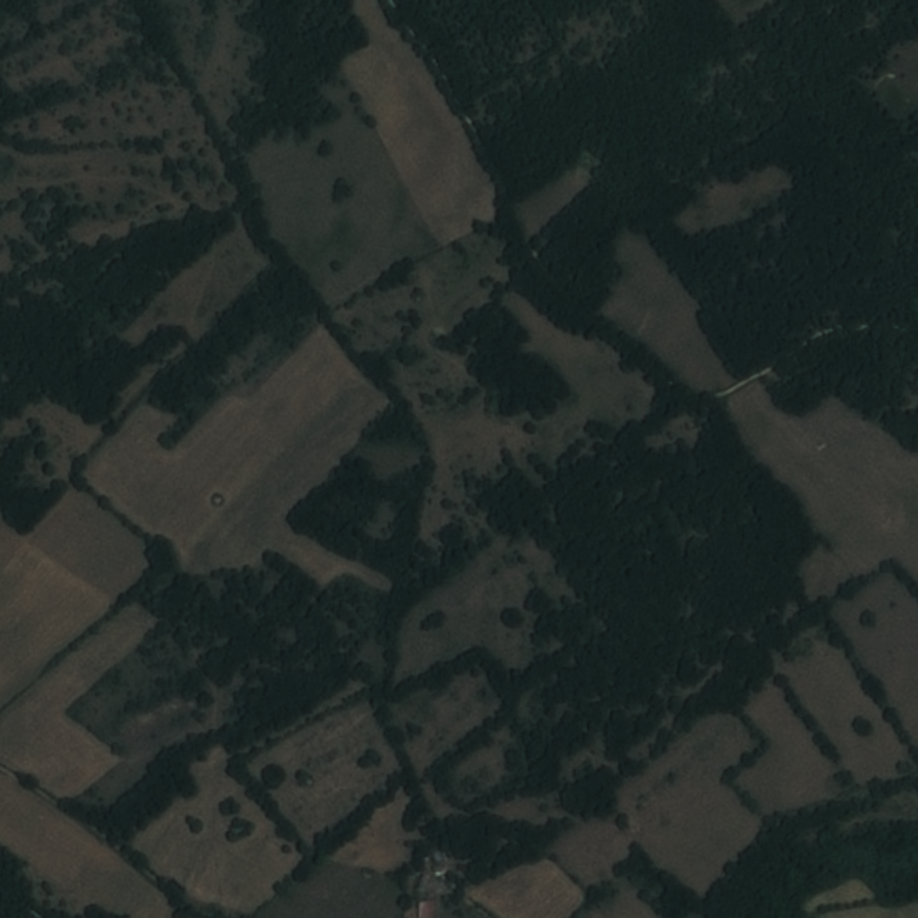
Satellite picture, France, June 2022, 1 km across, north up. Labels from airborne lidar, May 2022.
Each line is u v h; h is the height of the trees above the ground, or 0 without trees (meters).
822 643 0
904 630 0
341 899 0
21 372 14
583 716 9
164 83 7
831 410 0
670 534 12
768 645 14
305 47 12
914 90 0
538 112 11
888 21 8
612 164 14
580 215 12
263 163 0
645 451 12
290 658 15
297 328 10
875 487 0
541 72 7
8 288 9
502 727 10
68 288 8
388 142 0
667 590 11
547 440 0
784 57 11
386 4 11
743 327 17
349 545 9
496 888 0
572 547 15
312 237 0
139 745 0
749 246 12
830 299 16
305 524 14
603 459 13
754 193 0
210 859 0
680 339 0
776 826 10
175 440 8
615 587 16
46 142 7
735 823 0
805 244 17
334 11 14
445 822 9
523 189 11
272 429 0
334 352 0
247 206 10
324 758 0
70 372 10
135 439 0
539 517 11
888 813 0
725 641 9
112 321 8
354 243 0
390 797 10
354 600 7
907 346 12
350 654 7
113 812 13
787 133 18
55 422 0
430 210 0
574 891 0
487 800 7
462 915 6
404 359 12
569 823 11
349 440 0
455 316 0
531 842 12
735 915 15
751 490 15
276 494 0
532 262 12
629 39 9
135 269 14
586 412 0
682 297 0
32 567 0
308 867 13
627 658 16
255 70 10
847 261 11
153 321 0
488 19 8
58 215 9
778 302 14
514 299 0
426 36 12
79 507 0
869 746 0
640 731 12
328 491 9
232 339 8
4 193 0
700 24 11
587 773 9
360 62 0
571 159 14
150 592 13
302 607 7
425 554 12
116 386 14
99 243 9
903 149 13
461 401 6
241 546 0
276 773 15
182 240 8
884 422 8
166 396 10
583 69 9
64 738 0
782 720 0
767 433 0
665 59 13
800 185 12
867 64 16
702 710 13
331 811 0
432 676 9
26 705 0
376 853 0
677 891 16
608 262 12
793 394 11
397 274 15
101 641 0
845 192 16
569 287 10
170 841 0
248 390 0
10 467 16
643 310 0
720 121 12
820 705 0
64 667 0
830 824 14
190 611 10
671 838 0
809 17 10
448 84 11
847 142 15
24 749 0
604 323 11
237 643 13
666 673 8
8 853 9
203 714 6
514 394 10
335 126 0
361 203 0
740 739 0
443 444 0
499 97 9
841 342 9
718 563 12
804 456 0
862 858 5
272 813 11
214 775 0
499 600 0
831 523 0
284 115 9
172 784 12
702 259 18
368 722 0
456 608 0
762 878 17
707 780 0
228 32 0
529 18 10
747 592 17
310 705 17
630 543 9
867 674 9
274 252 12
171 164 9
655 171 15
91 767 0
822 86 13
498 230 13
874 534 0
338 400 0
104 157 0
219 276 0
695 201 10
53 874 0
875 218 15
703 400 15
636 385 0
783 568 16
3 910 12
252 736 11
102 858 0
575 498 19
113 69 9
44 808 0
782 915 7
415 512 13
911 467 0
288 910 0
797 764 0
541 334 0
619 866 10
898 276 13
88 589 0
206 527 0
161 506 0
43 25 7
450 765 10
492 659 11
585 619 8
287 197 0
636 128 14
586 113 9
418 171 0
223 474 0
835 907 6
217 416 0
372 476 10
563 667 7
